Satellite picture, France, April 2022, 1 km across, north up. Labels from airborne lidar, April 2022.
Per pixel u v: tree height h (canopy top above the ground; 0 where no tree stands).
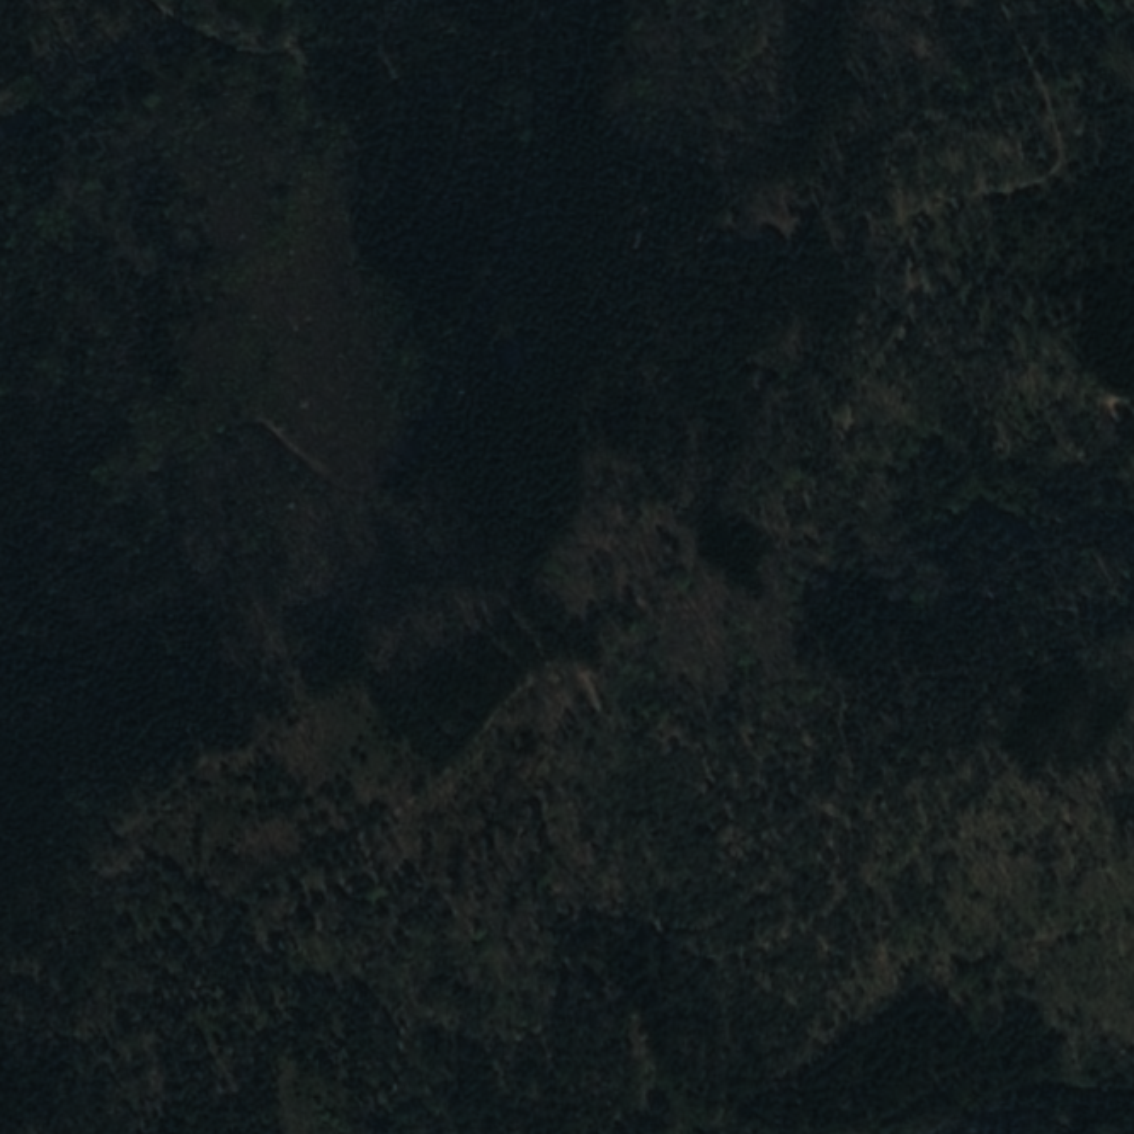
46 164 25
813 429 28
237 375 16
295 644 18
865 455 26
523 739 11
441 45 13
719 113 17
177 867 26
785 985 20
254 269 18
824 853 24
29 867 19
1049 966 12
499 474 26
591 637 21
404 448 16
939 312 25
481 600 15
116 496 24
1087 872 21
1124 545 22
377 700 16
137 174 23
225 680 18
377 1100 28
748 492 22
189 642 21
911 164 25
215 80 11
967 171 20
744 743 24
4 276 21
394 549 23
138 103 14
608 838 21
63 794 21
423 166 26
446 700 22
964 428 26
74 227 19
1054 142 13
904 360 26
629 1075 15
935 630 29
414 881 10
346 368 19
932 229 30
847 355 22
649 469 19
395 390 19
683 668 25
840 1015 18
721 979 20
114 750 26
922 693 25
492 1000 18
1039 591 27
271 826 11
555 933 34
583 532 25
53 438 22
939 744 26
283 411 18
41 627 22
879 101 15
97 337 20
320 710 0
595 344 24
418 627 18
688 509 21
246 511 16
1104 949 13
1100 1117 13
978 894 17
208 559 18
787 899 24
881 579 28
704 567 22
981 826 23
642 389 21
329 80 24
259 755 7
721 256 23
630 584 14
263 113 13
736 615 26
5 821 22
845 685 26
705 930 15
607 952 36
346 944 30
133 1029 27
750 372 19
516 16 24
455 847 7
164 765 23
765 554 22
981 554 31
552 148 25
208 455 17
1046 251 6
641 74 21
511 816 8
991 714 25
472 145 18
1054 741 20
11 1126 33
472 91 20
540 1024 20
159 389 24
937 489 31
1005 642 24
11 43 26
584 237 26
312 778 8
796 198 19
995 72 20
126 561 20
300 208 13
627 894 20
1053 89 29
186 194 16
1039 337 28
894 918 27
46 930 16
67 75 19
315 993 30
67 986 26
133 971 24
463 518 18
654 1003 39
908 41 22
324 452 20
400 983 32
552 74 23
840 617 30
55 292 23
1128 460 25
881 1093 33
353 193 20
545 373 23
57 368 21
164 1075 31
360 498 23
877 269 23
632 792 18
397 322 17
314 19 14
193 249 18
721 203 26
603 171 27
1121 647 20
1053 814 25
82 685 22
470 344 23
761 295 17
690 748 20
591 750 23
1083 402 24
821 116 26
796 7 20
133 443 20
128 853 21
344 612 22
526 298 27
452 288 26
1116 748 24
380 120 24
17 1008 18
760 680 24
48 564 24
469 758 16
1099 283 20
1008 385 25
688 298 27
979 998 14
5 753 21
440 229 25
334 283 16
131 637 21
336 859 11
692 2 21
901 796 24
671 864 17
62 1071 23
